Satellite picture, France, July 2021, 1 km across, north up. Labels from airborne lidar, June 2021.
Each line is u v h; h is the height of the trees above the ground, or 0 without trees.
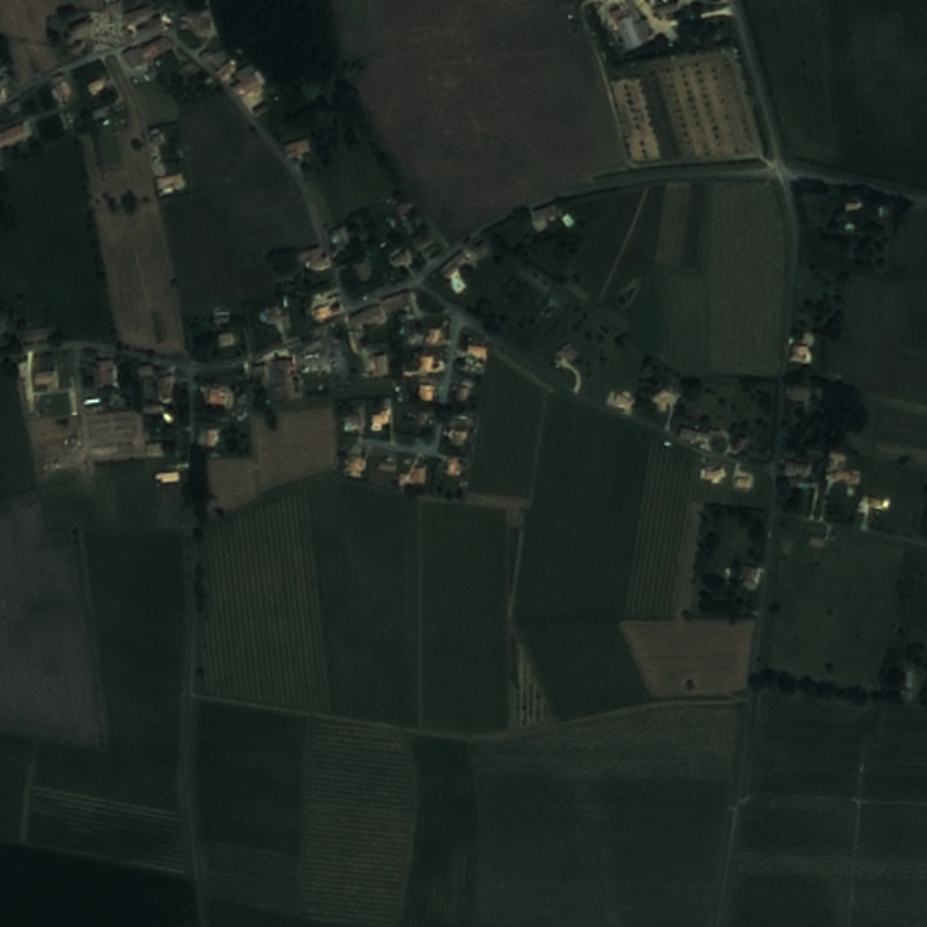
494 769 0
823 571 0
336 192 0
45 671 0
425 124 0
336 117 30
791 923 0
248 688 0
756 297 0
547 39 0
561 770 0
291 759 0
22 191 0
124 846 0
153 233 0
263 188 0
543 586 0
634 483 0
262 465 0
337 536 0
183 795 0
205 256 0
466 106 0
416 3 0
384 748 0
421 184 0
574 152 0
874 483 0
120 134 0
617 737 0
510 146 0
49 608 0
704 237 0
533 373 0
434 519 0
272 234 0
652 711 0
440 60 0
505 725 0
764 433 7
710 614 9
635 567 0
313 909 0
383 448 0
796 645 0
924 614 0
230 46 17
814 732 0
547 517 0
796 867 0
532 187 0
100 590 0
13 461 0
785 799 0
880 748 0
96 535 0
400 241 10
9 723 0
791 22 0
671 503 0
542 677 0
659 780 0
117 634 0
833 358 0
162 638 0
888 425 0
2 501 0
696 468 0
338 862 0
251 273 0
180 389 13
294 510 0
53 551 0
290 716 0
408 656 0
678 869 0
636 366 0
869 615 0
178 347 0
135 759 0
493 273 0
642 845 0
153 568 0
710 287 0
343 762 0
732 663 0
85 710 0
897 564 0
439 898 0
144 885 0
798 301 0
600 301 0
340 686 0
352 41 0
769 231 0
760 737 0
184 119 0
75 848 0
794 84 0
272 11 23
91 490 0
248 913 0
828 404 13
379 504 0
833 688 11
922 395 0
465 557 0
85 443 0
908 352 0
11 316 13
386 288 0
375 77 0
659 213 0
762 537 11
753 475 0
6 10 0
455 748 0
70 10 11
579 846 0
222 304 0
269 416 9
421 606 0
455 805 0
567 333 0
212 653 0
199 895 0
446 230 0
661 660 0
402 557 0
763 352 0
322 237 0
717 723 0
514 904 0
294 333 0
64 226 0
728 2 0
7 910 0
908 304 0
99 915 0
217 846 0
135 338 0
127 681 0
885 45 0
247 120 0
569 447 0
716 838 0
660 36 8
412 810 0
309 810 0
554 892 0
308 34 26
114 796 0
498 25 0
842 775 0
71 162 0
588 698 0
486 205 0
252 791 0
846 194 17
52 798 0
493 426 0
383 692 0
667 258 0
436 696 0
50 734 0
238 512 0
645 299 0
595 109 0
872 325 0
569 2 0
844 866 0
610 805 0
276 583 0
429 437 11
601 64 0
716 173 0
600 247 0
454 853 0
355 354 0
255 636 0
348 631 0
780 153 0
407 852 0
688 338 0
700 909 0
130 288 0
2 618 0
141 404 9
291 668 0
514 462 0
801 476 6
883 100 0
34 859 0
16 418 0
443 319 0
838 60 0
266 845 0
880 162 0
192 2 18
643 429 0
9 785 0
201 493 14
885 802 0
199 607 13
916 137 0
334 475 0
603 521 0
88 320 0
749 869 0
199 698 0
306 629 0
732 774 0
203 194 0
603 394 0
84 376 7
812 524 0
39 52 0
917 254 0
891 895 0
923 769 0
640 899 0
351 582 0
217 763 0
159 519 0
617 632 0
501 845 0
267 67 23
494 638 0
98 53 0
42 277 0
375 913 0
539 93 0
